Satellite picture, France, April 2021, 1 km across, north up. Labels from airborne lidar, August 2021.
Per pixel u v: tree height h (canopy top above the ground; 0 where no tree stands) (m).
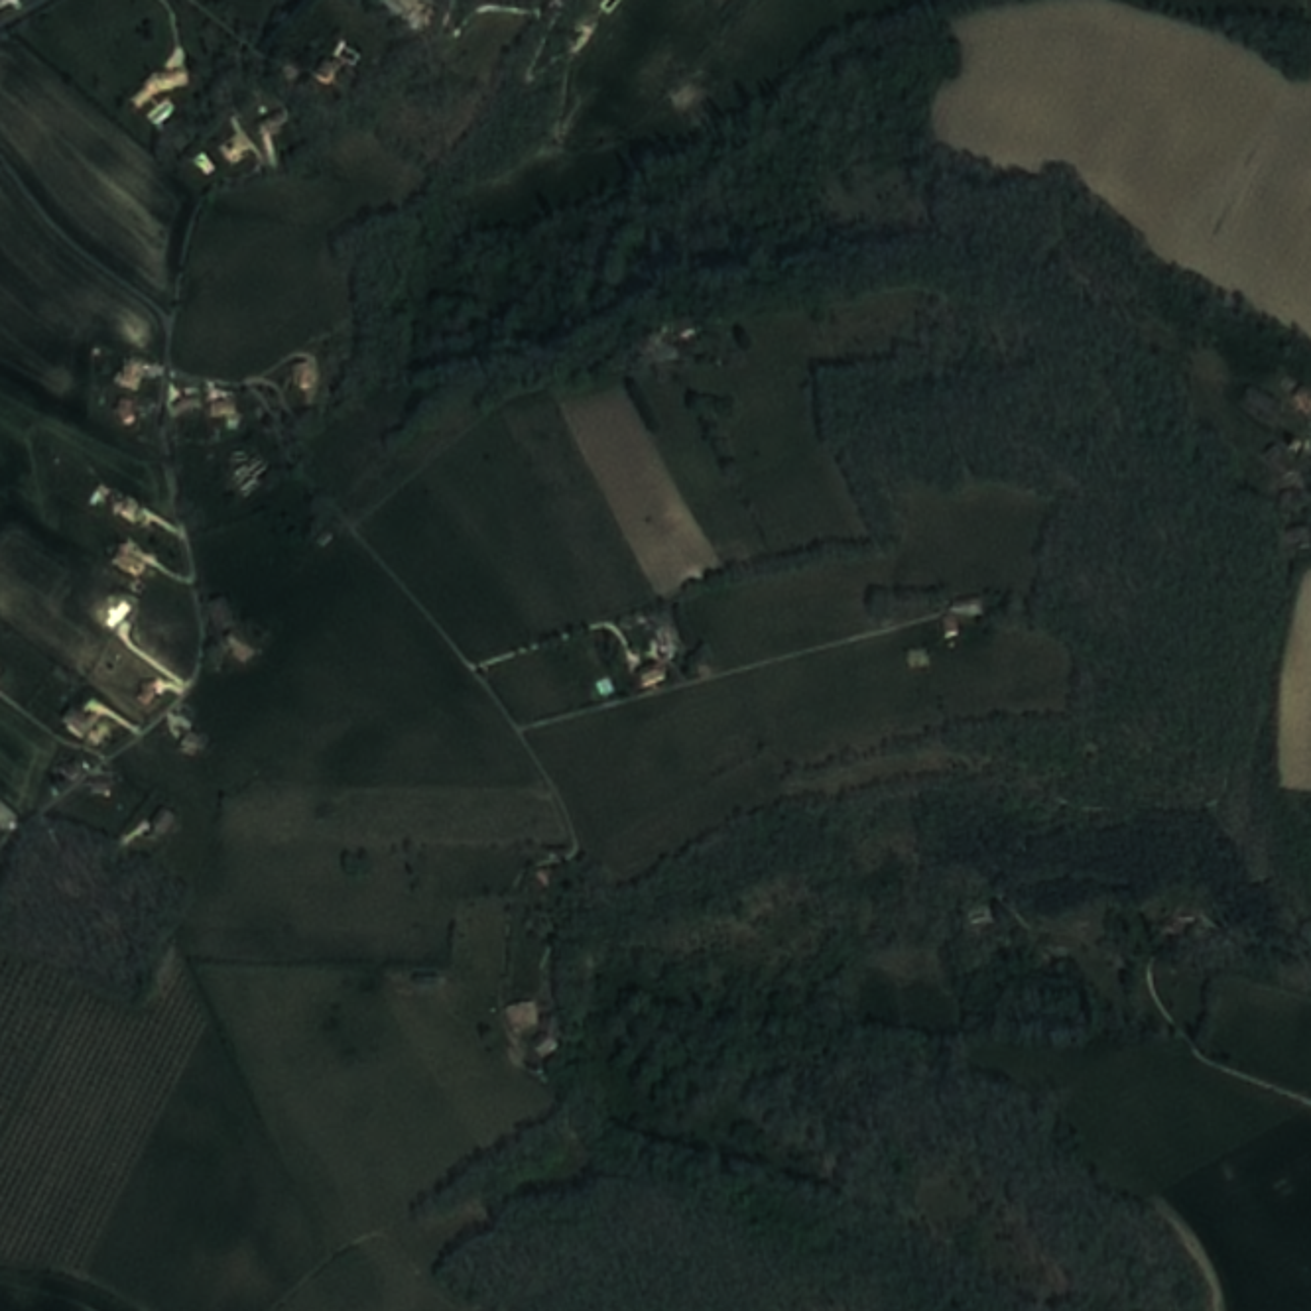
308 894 0
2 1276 0
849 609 0
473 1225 0
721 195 19
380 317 21
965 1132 25
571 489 0
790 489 0
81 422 0
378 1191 0
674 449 0
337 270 10
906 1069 17
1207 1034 8
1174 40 0
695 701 0
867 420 16
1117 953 14
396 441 12
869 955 10
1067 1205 24
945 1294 25
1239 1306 0
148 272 0
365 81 16
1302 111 0
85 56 0
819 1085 6
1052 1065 0
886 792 18
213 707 0
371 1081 0
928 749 15
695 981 14
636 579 0
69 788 10
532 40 14
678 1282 19
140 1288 0
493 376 21
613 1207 23
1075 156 0
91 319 0
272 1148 0
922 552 0
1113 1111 0
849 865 14
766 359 0
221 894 0
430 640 0
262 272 0
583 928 14
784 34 0
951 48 9
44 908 16
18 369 0
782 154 7
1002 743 14
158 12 0
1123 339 23
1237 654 16
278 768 0
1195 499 18
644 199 15
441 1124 0
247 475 0
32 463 0
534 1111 0
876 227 8
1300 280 0
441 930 0
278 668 0
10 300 0
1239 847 13
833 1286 14
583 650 0
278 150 0
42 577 0
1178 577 18
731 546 0
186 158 15
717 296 15
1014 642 0
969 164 14
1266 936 15
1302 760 0
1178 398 28
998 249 20
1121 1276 13
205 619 7
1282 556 21
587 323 16
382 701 0
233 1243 0
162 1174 0
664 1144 19
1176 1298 8
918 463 20
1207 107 0
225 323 0
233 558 0
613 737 0
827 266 20
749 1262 17
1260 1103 0
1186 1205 0
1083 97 0
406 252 23
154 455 0
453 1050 0
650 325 12
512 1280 19
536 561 0
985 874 16
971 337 11
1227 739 18
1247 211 0
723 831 10
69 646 0
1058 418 14
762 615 0
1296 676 0
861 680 0
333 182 0
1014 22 0
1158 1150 0
